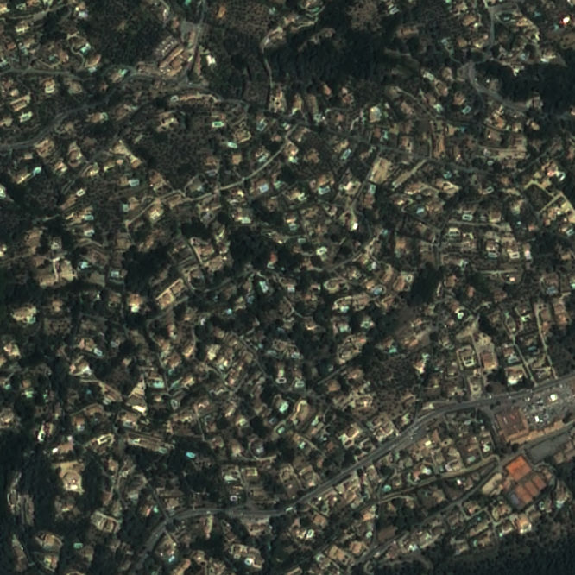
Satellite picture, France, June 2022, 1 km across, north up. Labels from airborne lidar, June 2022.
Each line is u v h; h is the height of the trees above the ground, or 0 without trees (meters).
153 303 10
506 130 6
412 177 6
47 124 8
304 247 13
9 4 13
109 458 8
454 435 12
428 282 13
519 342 8
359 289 14
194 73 15
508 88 14
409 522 15
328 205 6
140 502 8
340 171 9
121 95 9
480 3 6
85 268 7
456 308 0
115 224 6
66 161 11
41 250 13
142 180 9
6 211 15
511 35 6
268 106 11
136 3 8
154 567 12
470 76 0
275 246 8
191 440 7
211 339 14
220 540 9
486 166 7
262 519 0
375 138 10
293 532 0
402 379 6
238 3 6
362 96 6
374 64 16
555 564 7
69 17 7
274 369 11
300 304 11
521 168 10
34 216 8
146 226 9
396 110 5
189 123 23
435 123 6
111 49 10
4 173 10
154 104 10
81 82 11
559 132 8
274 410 8
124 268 12
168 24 6
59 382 22
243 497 5
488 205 16
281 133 10
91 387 10
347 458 11
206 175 8
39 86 6
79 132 6
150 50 6
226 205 6
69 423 14
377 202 12
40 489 9
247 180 8
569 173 8
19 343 6
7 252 6
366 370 14
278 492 18
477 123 6
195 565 8
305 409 0
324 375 20
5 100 6
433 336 12
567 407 0
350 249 13
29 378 7
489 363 0
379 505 7
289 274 17
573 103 11
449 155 6
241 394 11
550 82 13
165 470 11
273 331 20
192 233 12
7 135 8
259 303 8
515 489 0
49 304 19
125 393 9
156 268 13
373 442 8
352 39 17
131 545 20
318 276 16
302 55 14
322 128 15
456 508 7
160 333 11
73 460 17
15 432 22
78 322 11
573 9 6
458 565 6
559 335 14
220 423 7
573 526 8
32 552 6
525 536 6
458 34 6
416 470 0
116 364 12
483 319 15
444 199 8
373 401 6
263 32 8
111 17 7
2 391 12
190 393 7
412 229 8
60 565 18
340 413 13
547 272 10
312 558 6
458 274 6
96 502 11
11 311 7
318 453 10
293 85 7
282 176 16
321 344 9
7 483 12
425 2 6
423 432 0
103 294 14
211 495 12
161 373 13
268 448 18
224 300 15
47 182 6
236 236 12
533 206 7
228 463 8
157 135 9
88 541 18
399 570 6
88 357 11
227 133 14
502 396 0
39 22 10
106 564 22
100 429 14
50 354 16
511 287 17
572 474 10
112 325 13
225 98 8
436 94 6
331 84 17
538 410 0
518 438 0
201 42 6
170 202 0
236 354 6
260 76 9
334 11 17
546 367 12
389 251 7
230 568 10
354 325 19
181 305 13
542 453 0
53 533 8
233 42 6
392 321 19
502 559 14
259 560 0
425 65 12
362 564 12
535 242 7
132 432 6
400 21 12
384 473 19
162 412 7
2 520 16
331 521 6
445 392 8
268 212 15
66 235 12
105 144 7
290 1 13
